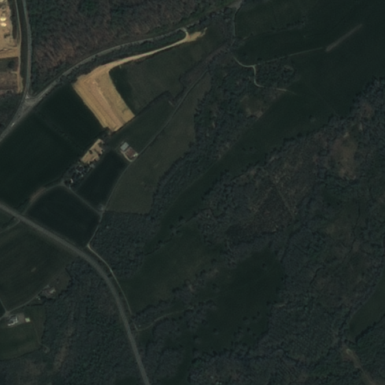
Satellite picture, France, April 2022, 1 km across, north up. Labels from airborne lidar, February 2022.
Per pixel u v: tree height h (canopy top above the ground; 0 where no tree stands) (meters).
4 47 0
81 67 12
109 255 9
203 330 0
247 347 17
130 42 0
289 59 19
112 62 0
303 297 17
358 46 0
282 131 0
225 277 0
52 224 0
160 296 0
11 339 0
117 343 20
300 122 0
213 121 10
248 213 18
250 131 0
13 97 22
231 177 11
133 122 0
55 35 25
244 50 0
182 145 0
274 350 7
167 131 0
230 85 7
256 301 0
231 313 0
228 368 21
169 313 0
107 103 0
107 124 0
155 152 0
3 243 0
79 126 0
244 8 18
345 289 21
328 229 0
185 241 0
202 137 19
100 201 0
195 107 0
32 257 0
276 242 21
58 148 0
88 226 0
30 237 0
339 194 27
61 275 0
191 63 0
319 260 27
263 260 0
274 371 28
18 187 0
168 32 0
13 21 14
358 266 0
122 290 0
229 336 0
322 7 0
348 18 0
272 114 0
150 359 21
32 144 0
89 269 17
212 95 7
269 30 0
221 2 22
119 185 0
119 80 0
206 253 0
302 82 0
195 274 0
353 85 0
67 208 0
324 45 0
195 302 0
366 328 0
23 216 0
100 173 0
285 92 0
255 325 0
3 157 0
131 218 8
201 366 18
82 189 0
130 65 0
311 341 0
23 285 0
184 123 0
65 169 0
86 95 0
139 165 0
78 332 16
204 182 0
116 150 0
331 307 0
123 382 0
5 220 0
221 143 6
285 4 0
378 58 0
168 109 0
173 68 0
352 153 0
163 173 0
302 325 21
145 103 0
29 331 0
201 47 0
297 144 13
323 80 0
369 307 0
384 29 0
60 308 6
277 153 15
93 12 27
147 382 0
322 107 0
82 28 27
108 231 8
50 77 16
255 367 29
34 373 0
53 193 0
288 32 0
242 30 0
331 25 0
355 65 0
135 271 16
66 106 0
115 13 24
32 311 0
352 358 0
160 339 16
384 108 23
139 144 0
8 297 0
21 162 0
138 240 11
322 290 0
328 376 17
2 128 15
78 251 0
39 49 23
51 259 0
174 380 0
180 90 0
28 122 0
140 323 19
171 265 0
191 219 0
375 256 11
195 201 0
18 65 0
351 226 0
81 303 11
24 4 0
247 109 0
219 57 15
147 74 0
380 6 0
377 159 0
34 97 0
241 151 0
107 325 22
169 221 0
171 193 14
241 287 0
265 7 0
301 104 0
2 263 0
